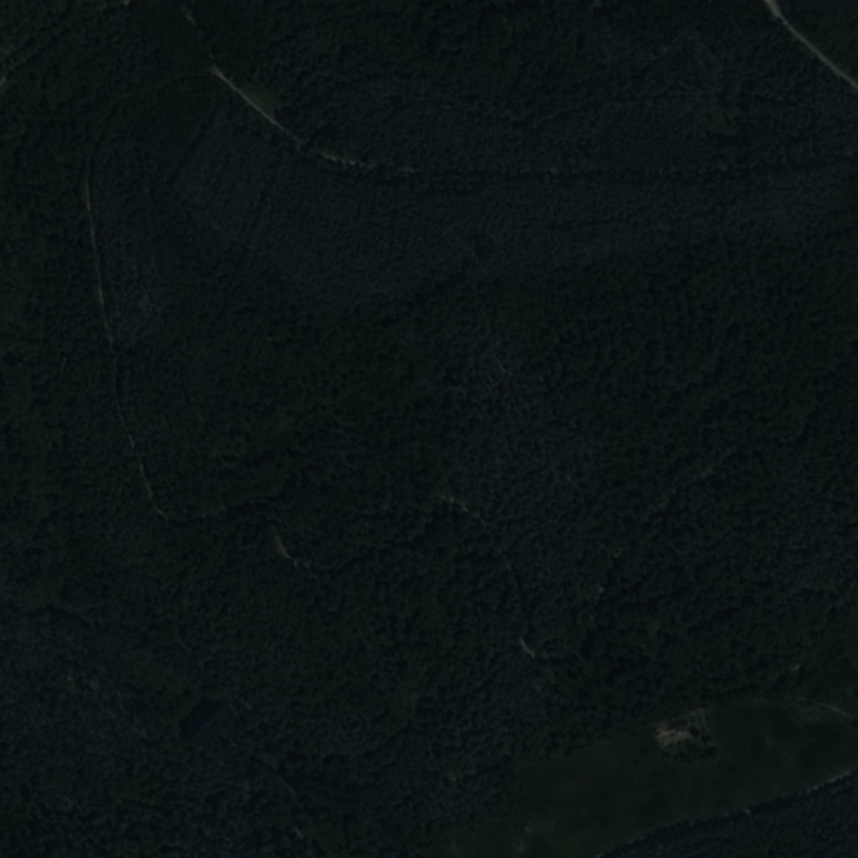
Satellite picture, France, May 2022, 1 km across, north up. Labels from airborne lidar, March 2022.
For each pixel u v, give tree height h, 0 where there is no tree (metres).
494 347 18
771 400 24
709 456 25
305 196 25
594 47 15
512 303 20
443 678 16
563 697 24
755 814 18
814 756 0
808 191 23
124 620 25
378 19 16
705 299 28
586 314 24
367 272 25
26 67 10
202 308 17
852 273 22
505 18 17
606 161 22
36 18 19
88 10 12
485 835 0
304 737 22
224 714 30
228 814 26
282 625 16
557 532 20
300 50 18
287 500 20
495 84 19
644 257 21
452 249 24
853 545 24
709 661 27
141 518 17
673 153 19
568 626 24
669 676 29
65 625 29
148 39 18
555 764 0
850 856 25
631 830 0
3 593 27
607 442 19
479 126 28
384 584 22
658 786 0
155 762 22
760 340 26
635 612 31
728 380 28
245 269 19
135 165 17
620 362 25
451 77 17
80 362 20
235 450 17
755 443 27
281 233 26
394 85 24
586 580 24
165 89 11
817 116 29
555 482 22
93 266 13
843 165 22
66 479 25
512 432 24
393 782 24
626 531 19
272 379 20
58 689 29
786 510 22
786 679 11
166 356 21
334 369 16
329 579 25
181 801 29
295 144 15
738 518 30
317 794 40
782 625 25
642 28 20
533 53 17
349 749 21
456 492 20
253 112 17
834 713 0
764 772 0
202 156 24
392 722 25
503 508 26
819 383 24
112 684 25
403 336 22
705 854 24
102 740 22
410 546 28
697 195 24
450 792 21
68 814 32
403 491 19
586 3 20
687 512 26
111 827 38
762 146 25
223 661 20
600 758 0
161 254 13
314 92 10
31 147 23
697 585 26
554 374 25
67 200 19
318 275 24
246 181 25
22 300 20
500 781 27
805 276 25
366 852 17
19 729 24
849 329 25
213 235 21
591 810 0
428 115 25
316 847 13
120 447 22
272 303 18
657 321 30
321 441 19
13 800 17
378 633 31
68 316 15
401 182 24
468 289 26
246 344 15
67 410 20
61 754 24
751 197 23
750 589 12
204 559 26
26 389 24
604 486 23
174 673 21
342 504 21
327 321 19
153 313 13
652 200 26
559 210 26
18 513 22
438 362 27
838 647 12
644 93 26
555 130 27
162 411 16
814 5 18
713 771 0
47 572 20
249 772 28
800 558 21
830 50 14
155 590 20
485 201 24
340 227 27
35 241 28
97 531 17
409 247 22
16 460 27
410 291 22
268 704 22
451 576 16
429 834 18
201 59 13
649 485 25
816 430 25
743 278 29
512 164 29
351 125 25
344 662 26
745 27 20
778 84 21
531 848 0
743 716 0
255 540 22
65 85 18
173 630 21
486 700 24
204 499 22
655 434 22
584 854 0
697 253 19
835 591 7
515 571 19
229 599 19
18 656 24
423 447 23
